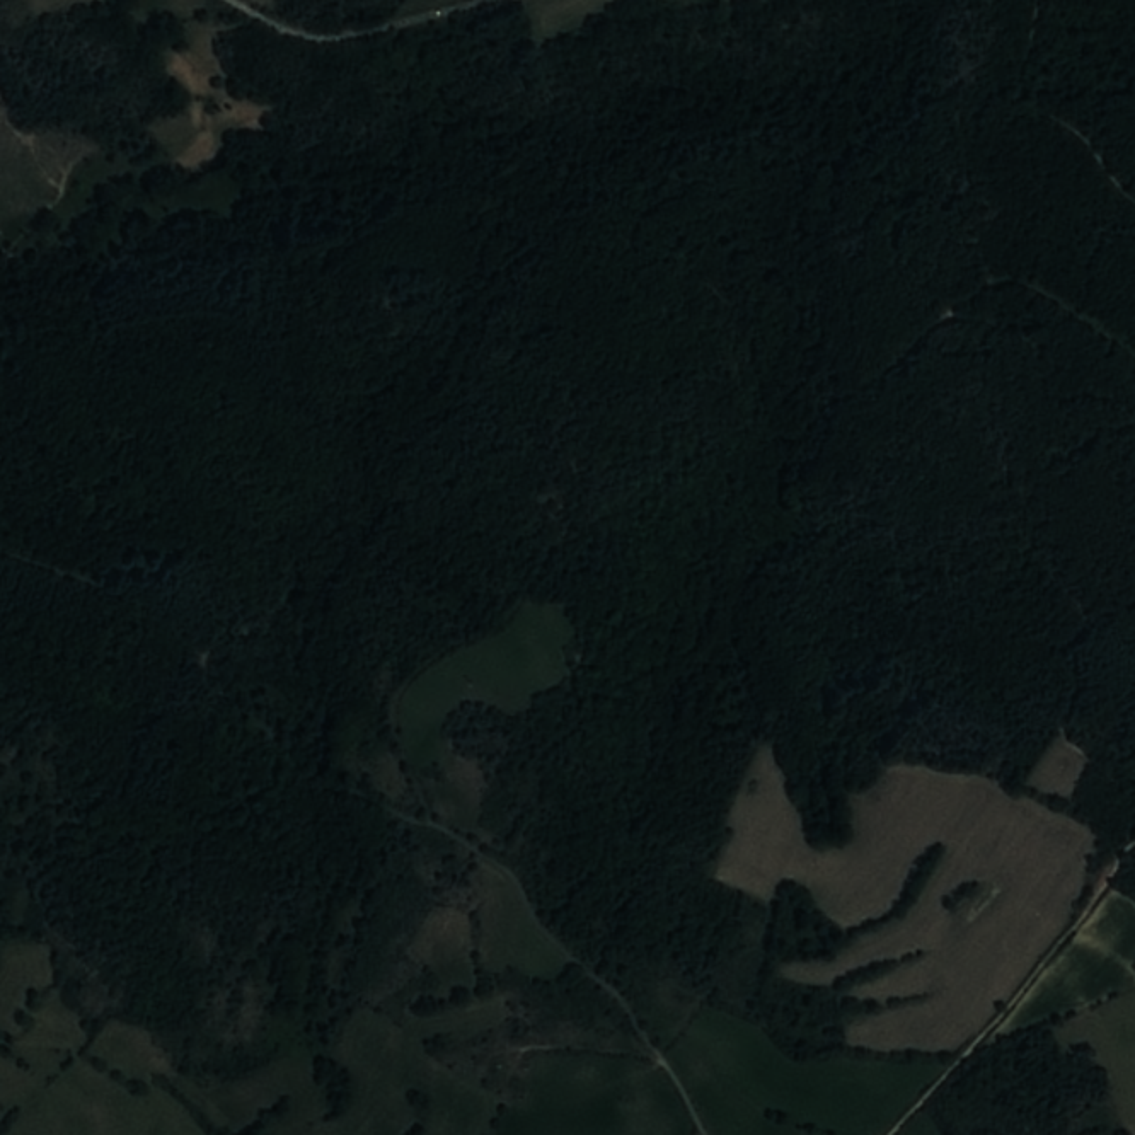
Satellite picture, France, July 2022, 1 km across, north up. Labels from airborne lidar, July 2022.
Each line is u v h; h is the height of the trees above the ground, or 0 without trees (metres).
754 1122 0
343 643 10
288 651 16
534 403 14
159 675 17
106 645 11
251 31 13
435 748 0
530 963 0
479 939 0
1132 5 15
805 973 0
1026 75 12
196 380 11
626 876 8
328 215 17
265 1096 0
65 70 14
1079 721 12
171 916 10
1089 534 20
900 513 16
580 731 8
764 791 0
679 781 12
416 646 14
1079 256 10
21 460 11
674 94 26
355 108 12
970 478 14
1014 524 11
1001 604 12
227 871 16
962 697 11
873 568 13
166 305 28
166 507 12
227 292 32
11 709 9
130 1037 0
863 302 24
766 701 17
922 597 16
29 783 13
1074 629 15
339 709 22
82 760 10
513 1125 0
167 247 19
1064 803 11
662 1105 0
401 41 16
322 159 30
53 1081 5
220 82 11
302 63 9
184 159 0
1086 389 14
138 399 12
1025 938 0
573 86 11
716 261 10
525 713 6
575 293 14
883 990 0
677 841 15
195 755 12
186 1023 9
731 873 0
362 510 16
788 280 24
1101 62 13
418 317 13
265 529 8
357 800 11
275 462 12
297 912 22
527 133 20
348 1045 0
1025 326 7
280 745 14
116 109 11
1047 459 16
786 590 16
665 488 19
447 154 14
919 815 0
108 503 10
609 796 14
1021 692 11
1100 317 8
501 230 25
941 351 13
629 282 12
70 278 22
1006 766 10
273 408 13
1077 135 7
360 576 17
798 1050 10
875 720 13
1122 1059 0
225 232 22
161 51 18
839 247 23
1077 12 12
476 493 11
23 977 0
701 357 11
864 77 19
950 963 0
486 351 15
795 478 20
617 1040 0
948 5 8
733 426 19
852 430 20
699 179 13
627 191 15
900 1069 0
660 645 18
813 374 26
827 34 14
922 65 10
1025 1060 7
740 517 21
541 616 0
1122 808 12
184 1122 0
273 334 16
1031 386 17
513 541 9
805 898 14
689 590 18
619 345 15
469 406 15
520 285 15
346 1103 10
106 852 15
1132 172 19
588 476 10
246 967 9
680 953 7
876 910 0
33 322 13
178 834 13
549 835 8
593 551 19
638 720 22
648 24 17
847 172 24
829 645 16
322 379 14
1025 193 9
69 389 12
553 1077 0
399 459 22
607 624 13
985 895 0
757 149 17
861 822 0
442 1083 0
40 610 12
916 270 16
